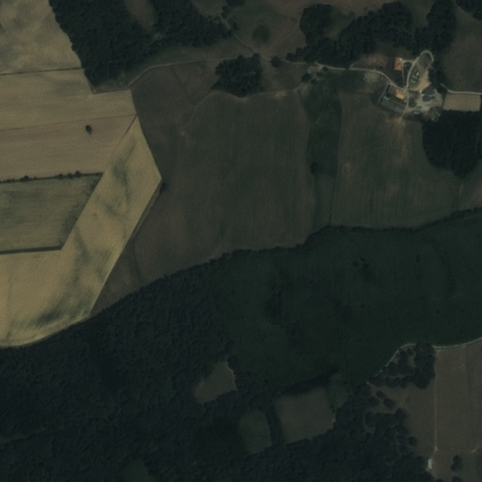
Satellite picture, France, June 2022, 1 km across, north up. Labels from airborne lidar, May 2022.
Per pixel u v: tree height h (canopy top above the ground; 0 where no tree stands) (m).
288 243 0
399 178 0
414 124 0
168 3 20
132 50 22
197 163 0
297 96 0
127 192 0
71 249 0
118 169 0
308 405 0
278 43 0
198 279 22
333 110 0
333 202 0
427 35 23
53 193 0
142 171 0
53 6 19
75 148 0
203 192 0
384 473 25
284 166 0
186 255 0
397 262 0
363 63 0
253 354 0
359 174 0
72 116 0
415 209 0
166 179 0
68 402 15
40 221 0
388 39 22
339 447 17
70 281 0
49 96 0
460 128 11
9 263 0
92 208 0
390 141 0
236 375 10
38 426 12
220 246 0
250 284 0
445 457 0
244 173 0
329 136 0
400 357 16
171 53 0
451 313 0
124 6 17
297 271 0
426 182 0
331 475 23
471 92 0
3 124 0
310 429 0
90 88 0
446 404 0
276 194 0
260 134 0
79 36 8
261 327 0
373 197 0
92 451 28
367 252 0
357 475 24
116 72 25
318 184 0
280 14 0
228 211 0
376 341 0
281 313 7
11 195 0
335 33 0
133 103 0
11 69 0
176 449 25
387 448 23
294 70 0
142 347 9
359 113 0
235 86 19
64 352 27
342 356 0
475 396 0
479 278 0
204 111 0
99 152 0
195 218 0
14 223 0
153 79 0
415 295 0
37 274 0
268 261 0
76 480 28
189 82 0
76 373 22
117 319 27
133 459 20
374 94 0
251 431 0
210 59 0
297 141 0
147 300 26
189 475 22
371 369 0
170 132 0
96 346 18
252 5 0
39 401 21
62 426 28
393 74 0
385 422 27
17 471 31
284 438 12
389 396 0
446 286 0
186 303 20
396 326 0
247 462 19
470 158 11
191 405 22
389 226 0
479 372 0
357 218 0
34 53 0
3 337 0
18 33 0
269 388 8
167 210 0
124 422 19
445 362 0
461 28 0
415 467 23
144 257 0
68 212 0
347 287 0
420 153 0
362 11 0
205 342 13
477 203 0
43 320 0
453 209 0
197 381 20
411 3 0
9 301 0
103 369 15
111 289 0
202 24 17
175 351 9
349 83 0
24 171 0
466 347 0
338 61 17
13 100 0
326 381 17
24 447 23
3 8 0
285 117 0
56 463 24
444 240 0
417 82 0
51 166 0
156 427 23
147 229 0
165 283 24
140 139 0
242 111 0
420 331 0
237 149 0
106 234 0
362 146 0
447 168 6
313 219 0
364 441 7
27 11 0
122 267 0
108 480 25
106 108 0
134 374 19
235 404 26
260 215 0
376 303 0
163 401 11
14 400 22
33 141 0
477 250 0
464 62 0
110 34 13
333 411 9
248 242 0
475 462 0
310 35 17
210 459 12
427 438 0
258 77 17
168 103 0
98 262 0
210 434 11
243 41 0
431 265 0
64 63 0
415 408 0
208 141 0
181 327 14
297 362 0
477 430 0
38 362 22
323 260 0
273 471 17
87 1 14
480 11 15
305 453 24
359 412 20
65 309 0
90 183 0
